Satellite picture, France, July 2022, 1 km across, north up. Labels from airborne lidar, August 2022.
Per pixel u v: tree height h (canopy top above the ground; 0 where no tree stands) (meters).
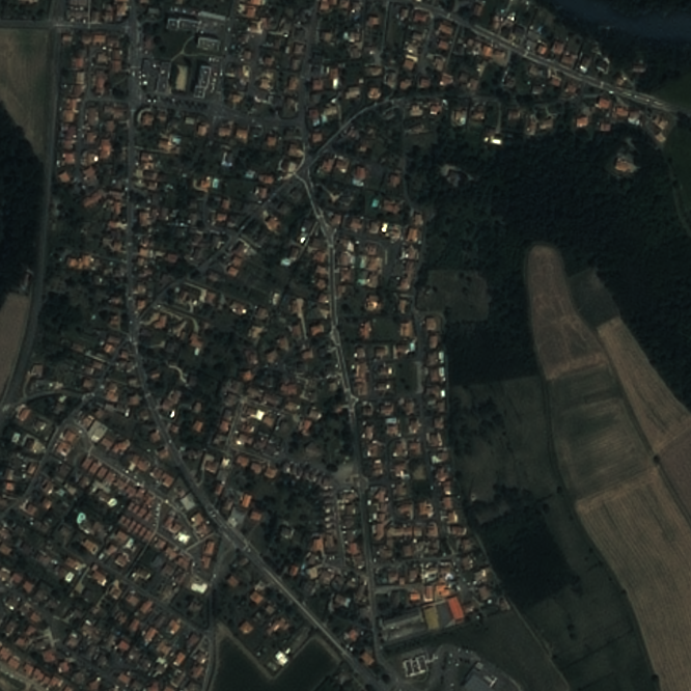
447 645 0
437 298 0
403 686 0
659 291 15
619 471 0
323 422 6
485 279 10
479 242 13
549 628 0
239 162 12
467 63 7
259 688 0
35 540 0
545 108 0
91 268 0
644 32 0
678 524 0
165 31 6
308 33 0
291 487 13
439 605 0
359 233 0
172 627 0
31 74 0
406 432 0
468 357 8
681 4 8
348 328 0
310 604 0
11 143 17
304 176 0
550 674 0
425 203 11
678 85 0
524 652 0
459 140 9
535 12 0
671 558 0
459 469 0
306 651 0
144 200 10
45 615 0
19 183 18
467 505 7
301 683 0
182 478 8
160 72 0
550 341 0
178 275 6
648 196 7
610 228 16
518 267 8
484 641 0
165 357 8
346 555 5
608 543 0
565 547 0
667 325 25
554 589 7
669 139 0
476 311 0
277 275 0
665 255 11
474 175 8
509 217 14
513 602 12
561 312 0
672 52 13
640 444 0
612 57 14
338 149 12
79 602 6
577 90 6
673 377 7
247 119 0
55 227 0
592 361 0
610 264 12
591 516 0
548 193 17
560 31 0
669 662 0
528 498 10
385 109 6
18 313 0
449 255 8
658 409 0
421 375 0
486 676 0
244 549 0
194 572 0
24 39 0
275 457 0
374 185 0
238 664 0
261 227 9
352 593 6
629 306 13
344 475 0
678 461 0
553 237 10
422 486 0
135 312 0
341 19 9
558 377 0
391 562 5
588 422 0
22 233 28
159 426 0
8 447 9
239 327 7
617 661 0
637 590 0
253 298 0
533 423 0
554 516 0
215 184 0
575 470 0
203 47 0
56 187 14
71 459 0
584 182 23
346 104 0
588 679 0
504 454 0
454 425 11
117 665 0
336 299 0
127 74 8
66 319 7
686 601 0
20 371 0
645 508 0
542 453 0
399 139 6
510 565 11
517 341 13
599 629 0
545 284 0
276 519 11
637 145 14
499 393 0
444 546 6
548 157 20
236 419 0
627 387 0
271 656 0
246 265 0
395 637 0
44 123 0
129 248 0
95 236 6
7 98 0
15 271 21
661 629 0
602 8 0
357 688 0
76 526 7
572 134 9
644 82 13
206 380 12
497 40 0
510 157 16
